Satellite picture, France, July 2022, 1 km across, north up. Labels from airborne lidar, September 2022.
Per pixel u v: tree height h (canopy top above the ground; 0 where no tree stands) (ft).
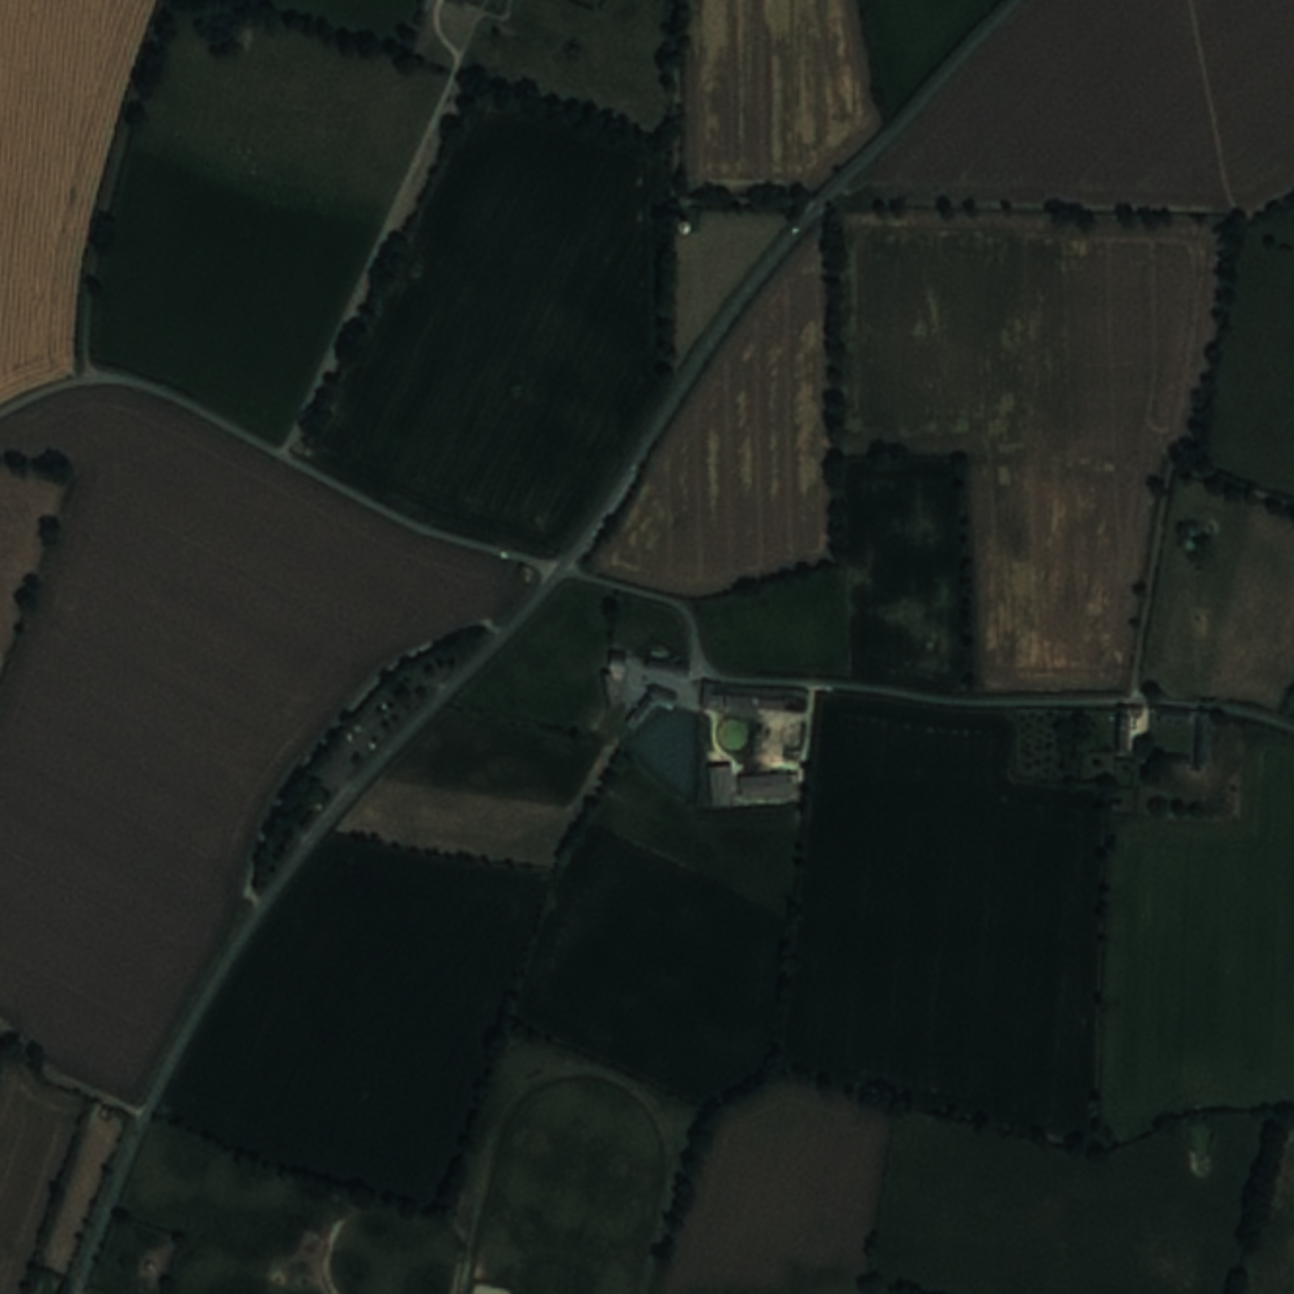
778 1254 0
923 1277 0
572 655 0
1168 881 0
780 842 0
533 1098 0
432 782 0
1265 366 0
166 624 0
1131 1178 0
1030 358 0
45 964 0
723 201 38
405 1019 0
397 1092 0
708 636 0
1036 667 0
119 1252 0
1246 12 0
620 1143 0
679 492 0
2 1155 0
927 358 0
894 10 0
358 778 0
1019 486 0
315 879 0
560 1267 0
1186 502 0
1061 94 0
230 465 0
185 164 0
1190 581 0
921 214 0
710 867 0
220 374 0
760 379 0
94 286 57
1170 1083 0
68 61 0
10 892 0
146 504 0
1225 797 0
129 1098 0
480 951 0
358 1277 0
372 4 0
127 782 0
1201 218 41
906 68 0
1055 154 0
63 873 0
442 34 0
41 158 0
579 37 0
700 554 0
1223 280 48
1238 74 0
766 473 0
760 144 0
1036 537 0
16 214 0
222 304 0
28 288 0
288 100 0
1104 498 0
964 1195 0
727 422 0
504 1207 0
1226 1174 0
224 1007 0
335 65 0
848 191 0
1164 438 0
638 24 0
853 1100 34
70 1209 0
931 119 0
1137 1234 0
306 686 0
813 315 0
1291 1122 60
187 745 0
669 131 39
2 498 0
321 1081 0
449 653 36
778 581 27
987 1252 0
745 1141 0
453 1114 0
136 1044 0
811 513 0
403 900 0
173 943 0
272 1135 0
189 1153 0
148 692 0
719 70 0
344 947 0
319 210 0
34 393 0
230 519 0
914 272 0
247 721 0
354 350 61
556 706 0
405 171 0
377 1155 0
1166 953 0
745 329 0
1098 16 0
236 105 0
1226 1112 25
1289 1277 0
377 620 0
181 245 0
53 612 0
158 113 0
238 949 0
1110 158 0
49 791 0
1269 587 0
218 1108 0
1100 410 0
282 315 0
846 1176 0
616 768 35
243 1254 0
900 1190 0
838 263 49
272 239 0
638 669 0
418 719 0
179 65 0
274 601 0
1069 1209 0
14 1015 0
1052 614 0
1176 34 0
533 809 0
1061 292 0
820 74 0
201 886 0
